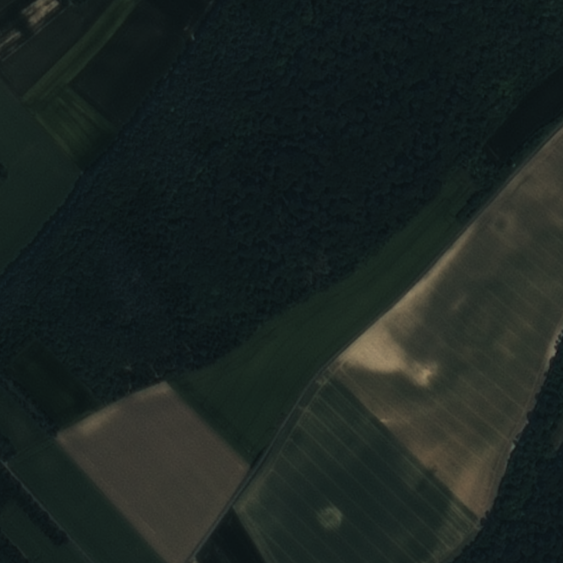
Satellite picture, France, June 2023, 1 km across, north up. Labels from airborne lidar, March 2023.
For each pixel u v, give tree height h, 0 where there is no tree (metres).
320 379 0
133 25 0
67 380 0
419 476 0
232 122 21
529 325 0
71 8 0
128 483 0
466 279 0
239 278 23
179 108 16
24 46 0
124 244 22
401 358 0
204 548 0
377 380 0
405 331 0
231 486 0
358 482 0
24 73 0
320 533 0
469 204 12
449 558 0
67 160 0
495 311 0
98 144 0
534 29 17
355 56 31
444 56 27
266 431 0
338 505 0
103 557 0
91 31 0
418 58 31
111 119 0
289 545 0
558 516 27
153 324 22
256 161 19
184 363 27
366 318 0
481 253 0
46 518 20
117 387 11
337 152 33
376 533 0
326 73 14
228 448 0
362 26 23
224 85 23
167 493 0
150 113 23
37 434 0
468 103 29
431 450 0
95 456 0
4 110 0
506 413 0
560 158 0
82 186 20
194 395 0
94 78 0
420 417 0
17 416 0
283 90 31
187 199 26
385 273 0
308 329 0
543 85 0
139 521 0
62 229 23
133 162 24
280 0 6
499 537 20
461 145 12
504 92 8
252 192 27
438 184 19
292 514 0
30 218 0
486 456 0
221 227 27
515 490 17
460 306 0
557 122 9
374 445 0
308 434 0
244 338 12
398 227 8
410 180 26
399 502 0
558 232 0
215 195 26
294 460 0
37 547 0
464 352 0
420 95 35
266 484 0
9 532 0
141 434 0
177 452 0
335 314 0
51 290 23
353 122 31
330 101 32
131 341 20
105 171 22
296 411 0
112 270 21
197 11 0
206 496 0
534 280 0
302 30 8
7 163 0
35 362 0
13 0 0
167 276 16
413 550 0
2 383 16
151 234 8
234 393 0
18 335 11
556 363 17
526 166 0
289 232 15
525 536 28
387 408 0
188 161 19
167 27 0
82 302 23
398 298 0
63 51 0
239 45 19
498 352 0
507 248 0
